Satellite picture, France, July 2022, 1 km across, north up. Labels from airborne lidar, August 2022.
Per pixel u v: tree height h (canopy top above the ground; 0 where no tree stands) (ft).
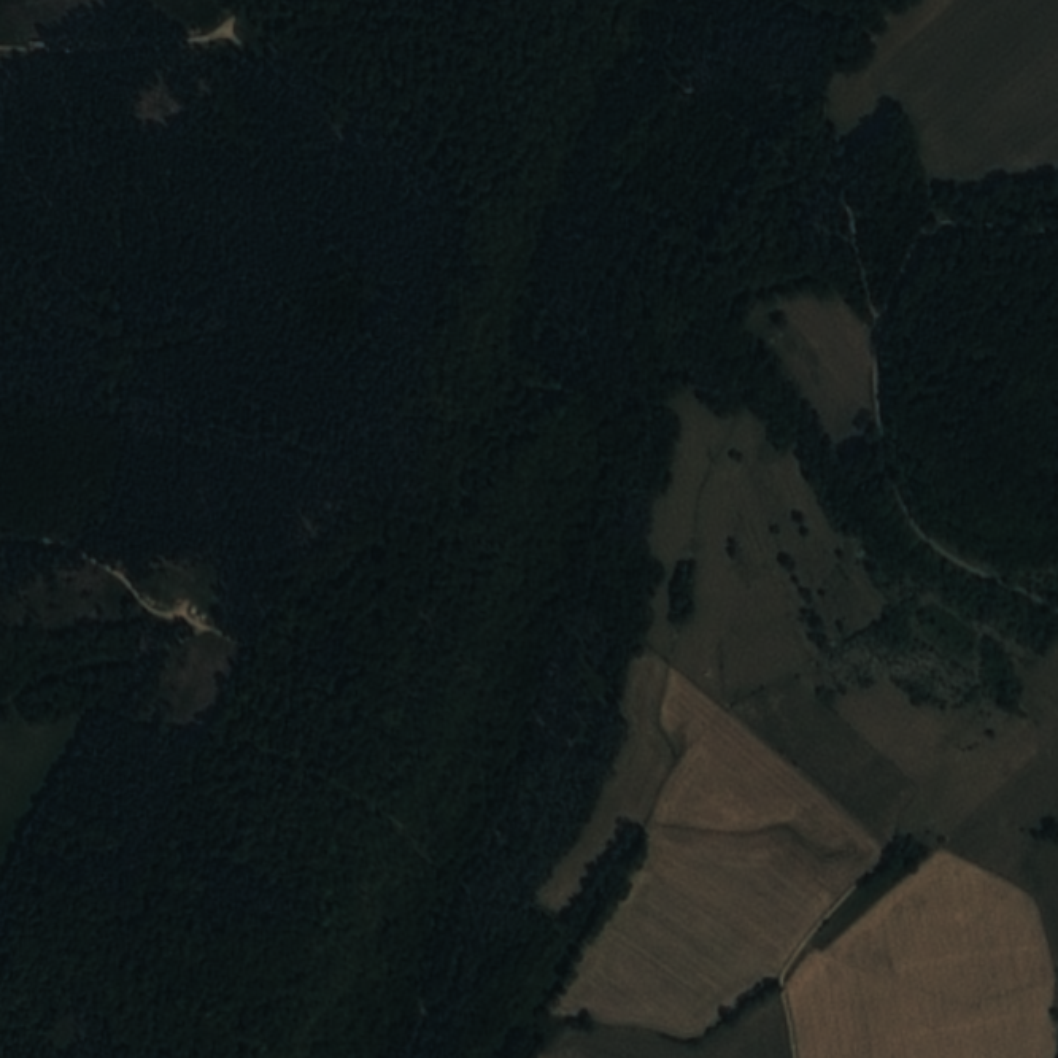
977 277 65
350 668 62
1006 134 0
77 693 51
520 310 31
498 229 52
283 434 62
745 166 39
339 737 52
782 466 0
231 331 62
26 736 0
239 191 63
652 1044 0
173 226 59
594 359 63
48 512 46
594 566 55
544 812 55
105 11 71
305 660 40
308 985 32
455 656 35
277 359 60
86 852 60
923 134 0
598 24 48
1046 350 57
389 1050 64
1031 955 0
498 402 57
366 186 72
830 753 0
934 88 0
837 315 0
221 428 90
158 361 68
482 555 51
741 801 0
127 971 52
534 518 67
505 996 36
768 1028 0
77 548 65
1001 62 0
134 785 69
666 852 0
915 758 0
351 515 50
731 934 0
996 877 0
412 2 70
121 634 44
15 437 53
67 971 39
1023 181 54
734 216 57
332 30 58
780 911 0
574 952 46
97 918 56
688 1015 0
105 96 62
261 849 62
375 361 59
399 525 79
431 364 43
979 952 0
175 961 52
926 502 50
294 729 62
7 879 49
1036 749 0
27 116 45
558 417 70
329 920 44
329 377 60
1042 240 59
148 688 56
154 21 59
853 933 0
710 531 0
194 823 66
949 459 53
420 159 32
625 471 66
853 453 76
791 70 79
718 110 31
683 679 0
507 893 62
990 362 62
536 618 76
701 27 60
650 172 40
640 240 61
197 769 55
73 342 86
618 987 0
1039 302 70
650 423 74
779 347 0
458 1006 78
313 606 73
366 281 75
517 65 46
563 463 68
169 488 54
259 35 0
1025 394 47
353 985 58
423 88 51
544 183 52
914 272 77
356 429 65
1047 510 79
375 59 49
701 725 0
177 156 53
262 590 60
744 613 0
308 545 52
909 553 52
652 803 0
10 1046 41
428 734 34
